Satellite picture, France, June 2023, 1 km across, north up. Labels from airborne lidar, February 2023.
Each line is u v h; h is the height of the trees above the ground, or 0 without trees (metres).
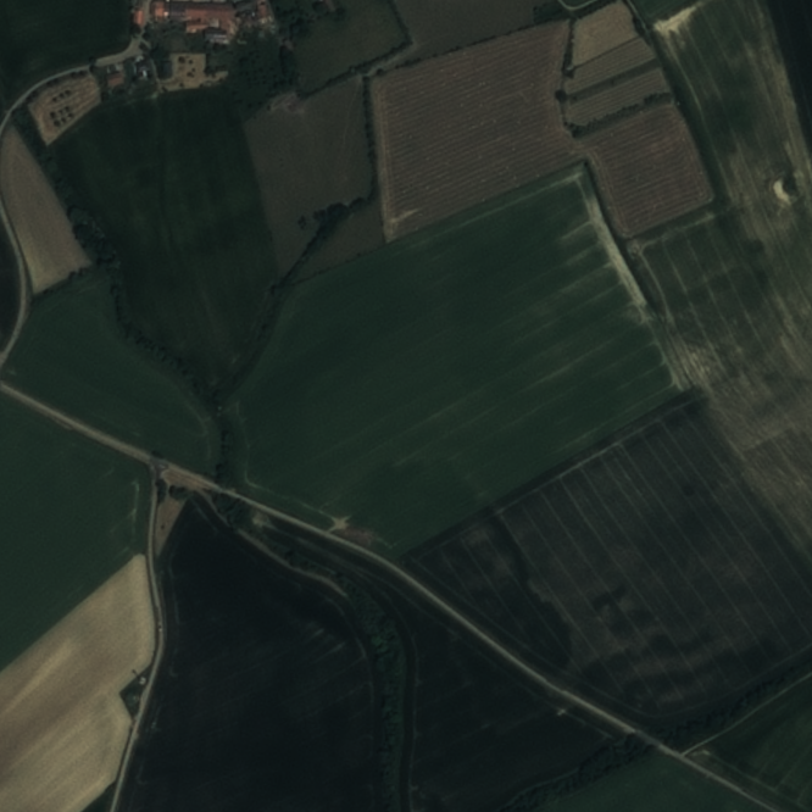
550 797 14
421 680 0
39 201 0
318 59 0
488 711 0
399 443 0
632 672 0
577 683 0
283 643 0
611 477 0
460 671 0
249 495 0
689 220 0
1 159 0
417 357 0
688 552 0
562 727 0
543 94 0
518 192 0
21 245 0
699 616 0
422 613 0
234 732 0
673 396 0
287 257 0
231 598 0
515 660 0
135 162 0
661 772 0
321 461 0
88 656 0
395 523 0
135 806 0
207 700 0
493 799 0
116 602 0
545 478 0
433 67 0
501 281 0
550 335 0
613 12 0
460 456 0
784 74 0
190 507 0
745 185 0
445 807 0
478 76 0
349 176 0
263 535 0
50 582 0
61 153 0
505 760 0
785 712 0
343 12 11
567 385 0
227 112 0
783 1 0
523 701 0
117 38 0
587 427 0
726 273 0
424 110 0
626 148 0
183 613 0
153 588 0
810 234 0
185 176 0
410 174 0
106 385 0
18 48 0
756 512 0
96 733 0
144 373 0
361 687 0
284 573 0
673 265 0
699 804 0
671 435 0
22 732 0
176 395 0
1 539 0
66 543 0
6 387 0
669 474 0
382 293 0
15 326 0
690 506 0
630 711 0
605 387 0
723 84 0
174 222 0
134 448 0
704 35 0
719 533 0
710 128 0
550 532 0
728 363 0
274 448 0
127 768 0
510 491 0
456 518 0
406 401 0
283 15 8
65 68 0
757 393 0
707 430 0
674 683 0
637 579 0
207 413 0
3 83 0
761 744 0
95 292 0
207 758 0
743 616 0
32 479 0
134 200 0
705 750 0
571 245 0
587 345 0
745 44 0
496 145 0
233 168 0
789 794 0
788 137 0
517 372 0
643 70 0
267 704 0
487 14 0
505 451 0
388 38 0
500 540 0
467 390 0
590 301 0
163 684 0
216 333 0
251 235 0
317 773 0
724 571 0
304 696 0
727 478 0
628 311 0
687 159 0
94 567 0
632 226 0
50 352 0
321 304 0
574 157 0
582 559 0
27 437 0
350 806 0
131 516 0
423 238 0
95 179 0
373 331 0
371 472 0
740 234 0
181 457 0
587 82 0
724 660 0
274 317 0
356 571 0
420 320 0
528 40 0
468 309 0
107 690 0
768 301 0
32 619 0
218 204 0
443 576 0
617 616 0
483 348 0
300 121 0
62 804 0
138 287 0
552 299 0
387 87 0
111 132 0
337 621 0
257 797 0
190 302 0
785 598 0
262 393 0
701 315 0
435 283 0
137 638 0
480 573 0
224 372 0
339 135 0
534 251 0
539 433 0
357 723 0
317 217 15
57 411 0
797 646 0
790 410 0
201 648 0
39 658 0
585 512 0
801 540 0
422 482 0
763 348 0
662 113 0
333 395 0
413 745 0
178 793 0
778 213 0
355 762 0
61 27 0
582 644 0
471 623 0
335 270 0
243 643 0
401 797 0
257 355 0
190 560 0
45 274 0
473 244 0
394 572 0
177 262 0
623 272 0
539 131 0
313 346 0
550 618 0
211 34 0
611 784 0
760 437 0
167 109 0
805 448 0
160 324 0
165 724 0
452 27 0
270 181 0
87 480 0
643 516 0
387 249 0
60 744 0
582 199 0
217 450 0
